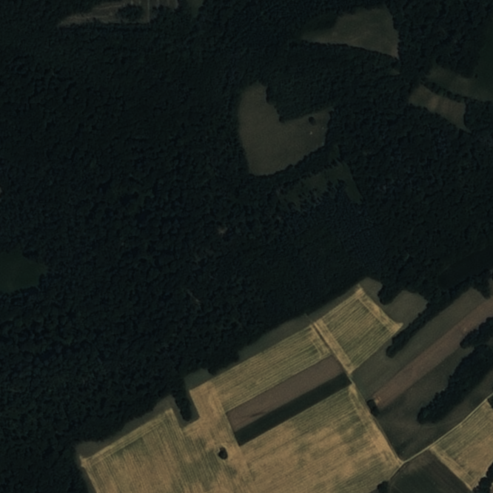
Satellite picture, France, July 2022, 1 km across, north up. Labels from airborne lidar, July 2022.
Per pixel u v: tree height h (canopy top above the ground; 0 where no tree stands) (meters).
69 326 34
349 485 0
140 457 0
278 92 12
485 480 15
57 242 30
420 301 0
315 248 11
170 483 0
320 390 0
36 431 24
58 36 21
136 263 31
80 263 29
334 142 18
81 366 33
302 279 14
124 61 24
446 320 0
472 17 26
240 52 21
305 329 0
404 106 18
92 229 30
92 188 33
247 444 0
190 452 0
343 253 10
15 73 24
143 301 26
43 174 31
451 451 0
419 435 0
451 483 0
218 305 12
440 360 0
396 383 0
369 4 15
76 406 21
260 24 15
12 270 0
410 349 0
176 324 22
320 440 0
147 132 26
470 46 24
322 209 17
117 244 32
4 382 22
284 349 0
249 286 23
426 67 20
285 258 9
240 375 0
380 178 22
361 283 0
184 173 25
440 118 20
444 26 24
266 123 0
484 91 0
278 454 0
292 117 8
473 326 0
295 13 15
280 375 0
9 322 8
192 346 19
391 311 0
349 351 0
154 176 30
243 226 26
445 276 0
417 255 23
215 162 24
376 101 18
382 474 0
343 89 15
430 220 22
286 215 18
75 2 15
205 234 23
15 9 18
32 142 27
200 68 11
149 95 21
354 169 16
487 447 0
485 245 13
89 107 31
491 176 20
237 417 0
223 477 0
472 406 0
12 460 23
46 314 24
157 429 0
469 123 21
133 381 26
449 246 23
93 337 34
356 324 0
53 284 27
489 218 25
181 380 19
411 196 24
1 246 28
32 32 14
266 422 0
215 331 25
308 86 8
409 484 0
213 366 18
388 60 8
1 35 9
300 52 19
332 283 16
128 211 24
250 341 17
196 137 16
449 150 26
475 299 0
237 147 12
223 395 0
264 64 14
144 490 0
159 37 15
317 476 0
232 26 15
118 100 24
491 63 0
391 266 12
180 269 26
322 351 0
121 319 26
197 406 0
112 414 26
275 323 14
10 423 19
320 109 8
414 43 21
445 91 10
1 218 21
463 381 16
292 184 17
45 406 17
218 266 15
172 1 0
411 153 26
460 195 24
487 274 12
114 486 0
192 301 21
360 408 0
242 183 18
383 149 20
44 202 28
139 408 10
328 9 14
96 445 0
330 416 0
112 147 29
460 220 18
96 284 35
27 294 16
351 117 24
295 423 0
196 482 0
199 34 26
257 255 9
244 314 25
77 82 31
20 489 27
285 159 0
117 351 33
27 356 38
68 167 28
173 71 9
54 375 26
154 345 27
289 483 0
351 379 0
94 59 17
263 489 0
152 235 32
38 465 22
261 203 26
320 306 10
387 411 0
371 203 19
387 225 18
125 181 32
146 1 0
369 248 15
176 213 27
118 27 9
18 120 31
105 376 18
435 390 0
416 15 20
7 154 29
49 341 36
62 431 24
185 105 28
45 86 35
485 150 19
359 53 17
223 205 23
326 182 0
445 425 0
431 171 15
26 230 29
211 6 17
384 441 0
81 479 18
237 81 18
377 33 0
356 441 0
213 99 8
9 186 21
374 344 0
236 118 7
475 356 18
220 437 0
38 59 27
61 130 30
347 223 16
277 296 12
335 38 0
